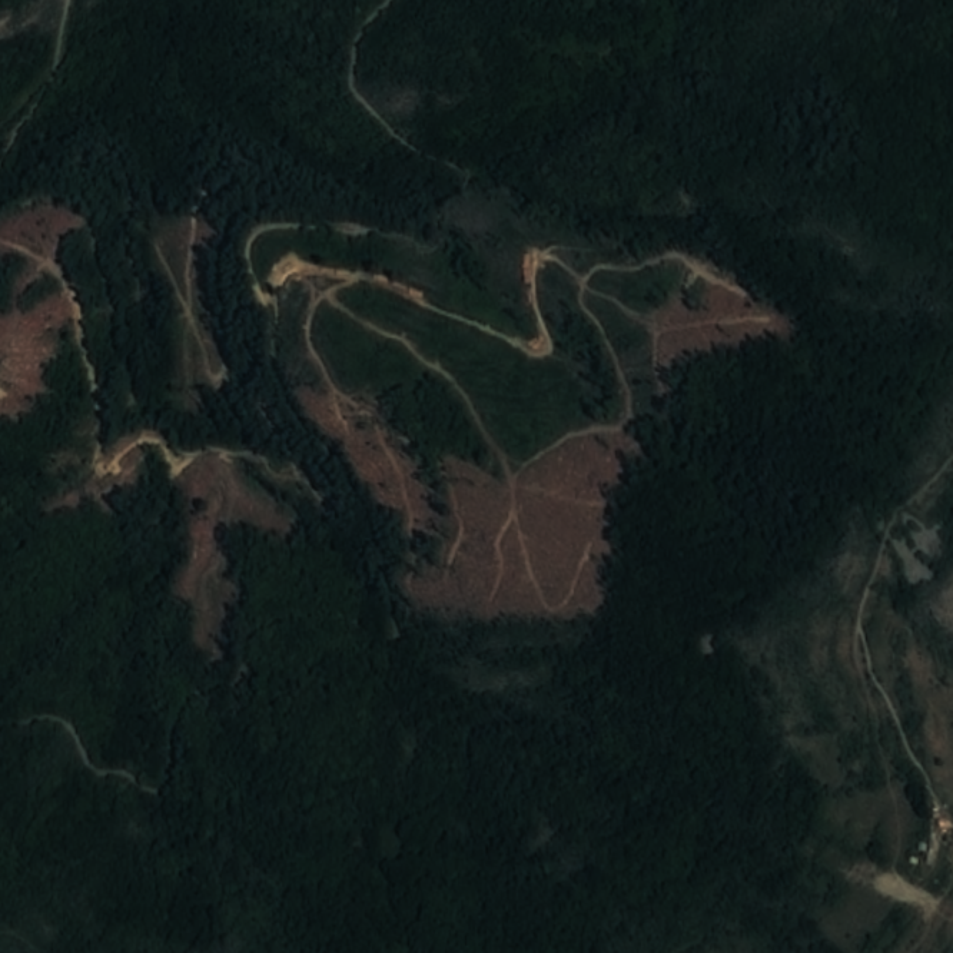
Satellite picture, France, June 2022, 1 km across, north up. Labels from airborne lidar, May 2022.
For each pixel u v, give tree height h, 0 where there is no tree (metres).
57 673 16
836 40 15
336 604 18
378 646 25
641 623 14
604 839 10
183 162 24
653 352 0
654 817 16
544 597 0
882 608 0
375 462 0
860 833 0
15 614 19
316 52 11
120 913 9
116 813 8
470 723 12
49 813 13
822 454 22
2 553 27
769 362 17
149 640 16
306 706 19
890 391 15
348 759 21
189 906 15
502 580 0
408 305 0
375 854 18
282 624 19
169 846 13
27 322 0
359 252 7
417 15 9
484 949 11
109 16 10
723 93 11
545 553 0
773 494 20
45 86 13
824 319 9
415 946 22
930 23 21
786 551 20
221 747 15
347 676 22
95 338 11
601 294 0
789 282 18
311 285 0
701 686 10
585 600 0
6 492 26
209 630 0
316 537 43
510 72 11
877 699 0
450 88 14
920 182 10
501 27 12
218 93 12
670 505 24
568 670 12
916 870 0
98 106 20
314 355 0
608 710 15
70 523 21
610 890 9
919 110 16
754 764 13
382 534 33
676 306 0
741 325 0
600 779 22
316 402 0
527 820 18
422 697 19
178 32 21
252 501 0
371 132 16
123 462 0
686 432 32
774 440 14
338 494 41
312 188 36
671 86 9
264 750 22
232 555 33
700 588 17
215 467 0
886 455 9
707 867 11
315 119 19
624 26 7
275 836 12
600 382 26
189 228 0
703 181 13
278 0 15
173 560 9
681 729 15
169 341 36
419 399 18
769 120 12
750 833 12
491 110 7
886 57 16
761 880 6
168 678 19
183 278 0
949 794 0
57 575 14
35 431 21
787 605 6
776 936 7
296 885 11
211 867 7
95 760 18
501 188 15
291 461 40
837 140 21
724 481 20
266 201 38
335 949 12
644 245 24
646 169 10
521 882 23
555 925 15
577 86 11
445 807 20
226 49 24
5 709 13
